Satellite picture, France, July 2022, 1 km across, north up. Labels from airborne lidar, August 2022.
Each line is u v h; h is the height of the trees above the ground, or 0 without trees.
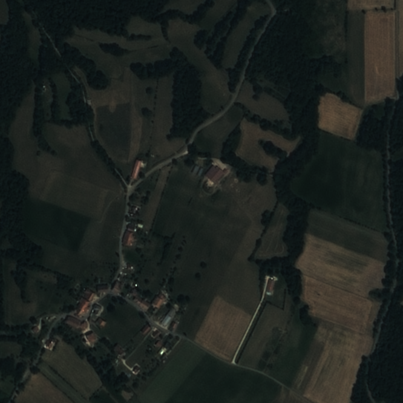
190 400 0
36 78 19
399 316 17
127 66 0
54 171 0
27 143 0
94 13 21
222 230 0
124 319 0
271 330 0
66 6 15
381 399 14
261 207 0
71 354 0
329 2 0
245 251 0
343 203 0
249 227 0
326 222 0
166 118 0
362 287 0
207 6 11
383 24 0
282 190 21
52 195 0
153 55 0
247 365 0
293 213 6
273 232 0
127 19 18
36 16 8
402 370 13
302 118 21
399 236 16
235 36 0
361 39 0
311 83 24
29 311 0
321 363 0
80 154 0
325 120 0
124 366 0
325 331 0
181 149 0
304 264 0
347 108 0
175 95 17
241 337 0
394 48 0
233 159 18
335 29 0
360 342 0
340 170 0
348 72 0
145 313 14
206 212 0
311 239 0
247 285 0
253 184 0
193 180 0
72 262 0
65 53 20
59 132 0
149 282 9
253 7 0
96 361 23
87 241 0
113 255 0
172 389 0
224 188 0
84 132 0
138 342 0
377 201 0
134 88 0
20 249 19
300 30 22
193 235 0
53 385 0
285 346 0
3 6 0
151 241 9
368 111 0
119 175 13
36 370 16
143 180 0
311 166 0
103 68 0
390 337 11
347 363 0
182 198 0
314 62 14
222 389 0
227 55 0
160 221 0
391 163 19
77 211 0
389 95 0
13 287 0
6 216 17
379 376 16
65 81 0
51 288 0
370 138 17
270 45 11
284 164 20
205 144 0
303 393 0
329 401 0
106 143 0
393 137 14
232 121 0
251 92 0
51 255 0
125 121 0
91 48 0
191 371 0
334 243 0
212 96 0
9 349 0
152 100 0
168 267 0
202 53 0
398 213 17
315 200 0
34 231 0
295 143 0
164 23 16
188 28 0
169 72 16
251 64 11
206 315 0
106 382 17
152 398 0
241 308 0
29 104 0
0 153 20
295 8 19
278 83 13
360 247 0
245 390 0
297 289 18
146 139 0
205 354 0
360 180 0
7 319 0
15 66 17
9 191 18
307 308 12
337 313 0
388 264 10
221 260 0
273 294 0
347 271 0
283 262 19
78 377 0
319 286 0
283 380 0
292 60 21
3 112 16
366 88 0
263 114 0
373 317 0
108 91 0
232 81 9
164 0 16
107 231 0
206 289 0
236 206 0
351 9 0
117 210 0
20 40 13
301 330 0
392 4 0
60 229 0
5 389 0
